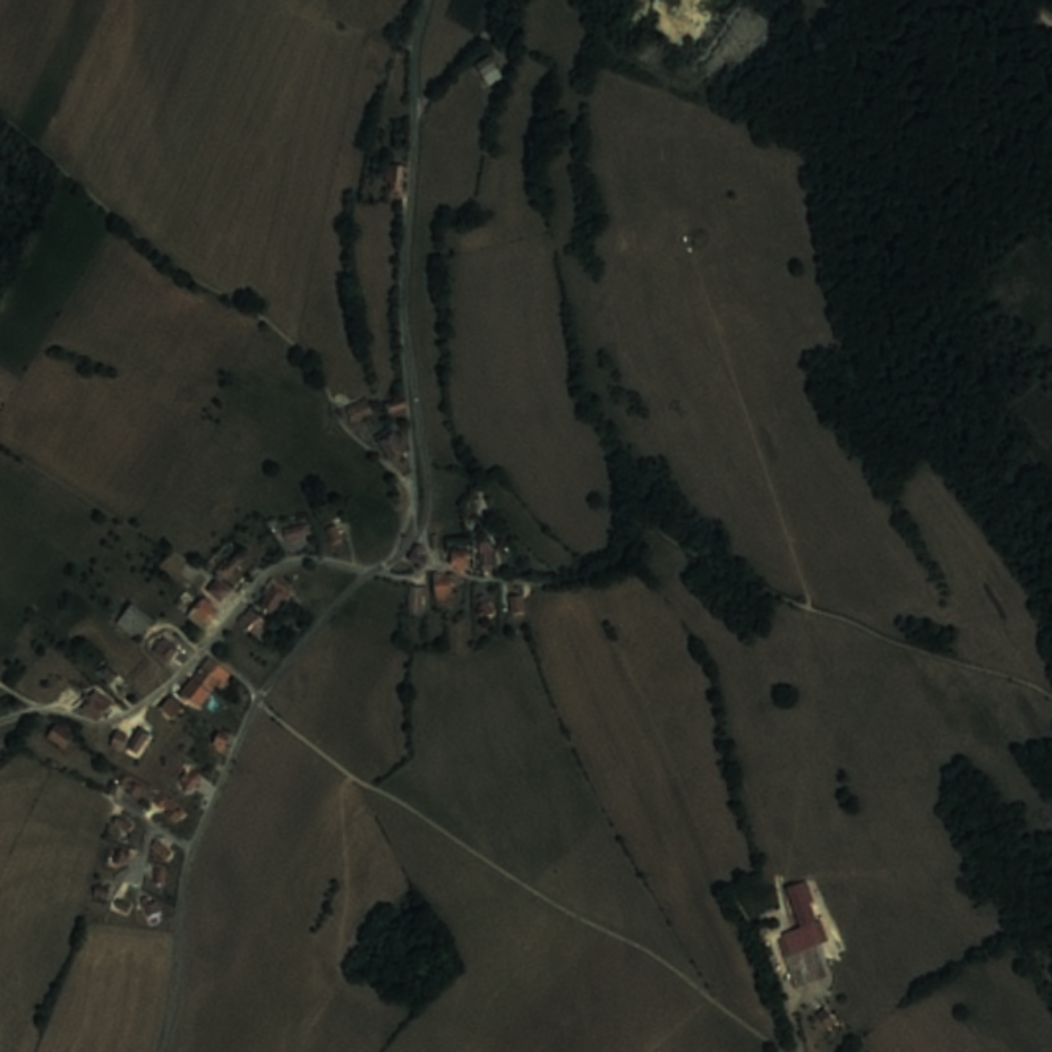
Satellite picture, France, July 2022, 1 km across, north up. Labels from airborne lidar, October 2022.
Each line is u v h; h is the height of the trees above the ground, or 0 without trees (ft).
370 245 0
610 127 0
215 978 0
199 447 0
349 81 0
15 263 47
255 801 0
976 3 37
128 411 0
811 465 0
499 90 47
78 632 0
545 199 29
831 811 0
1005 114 68
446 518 0
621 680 0
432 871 0
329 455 0
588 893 0
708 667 37
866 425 57
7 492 0
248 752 0
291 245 0
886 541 0
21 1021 0
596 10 31
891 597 0
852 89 89
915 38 87
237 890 0
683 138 0
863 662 0
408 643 25
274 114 0
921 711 0
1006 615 0
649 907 0
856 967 0
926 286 64
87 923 33
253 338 0
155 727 0
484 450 0
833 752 0
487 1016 0
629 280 0
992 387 76
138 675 0
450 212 49
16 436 0
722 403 0
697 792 0
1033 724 0
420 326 0
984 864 43
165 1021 0
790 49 51
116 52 0
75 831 0
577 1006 0
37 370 0
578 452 0
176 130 0
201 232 0
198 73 0
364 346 73
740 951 0
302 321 0
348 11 0
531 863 0
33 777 0
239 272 0
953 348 61
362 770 0
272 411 0
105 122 0
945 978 52
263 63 0
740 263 0
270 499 0
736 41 0
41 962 0
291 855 0
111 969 0
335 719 0
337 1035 0
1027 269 0
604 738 0
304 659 0
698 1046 0
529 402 0
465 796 0
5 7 0
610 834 0
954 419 65
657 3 0
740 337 0
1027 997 0
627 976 0
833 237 64
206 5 0
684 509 48
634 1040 0
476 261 0
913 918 0
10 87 0
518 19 41
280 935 0
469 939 0
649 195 0
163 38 0
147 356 0
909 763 0
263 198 0
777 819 0
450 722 0
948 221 67
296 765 0
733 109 35
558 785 0
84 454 0
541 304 0
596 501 44
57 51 0
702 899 0
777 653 0
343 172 0
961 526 0
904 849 0
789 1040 44
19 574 0
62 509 0
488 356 0
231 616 0
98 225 0
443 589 0
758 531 0
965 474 48
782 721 0
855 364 45
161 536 0
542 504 0
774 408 0
